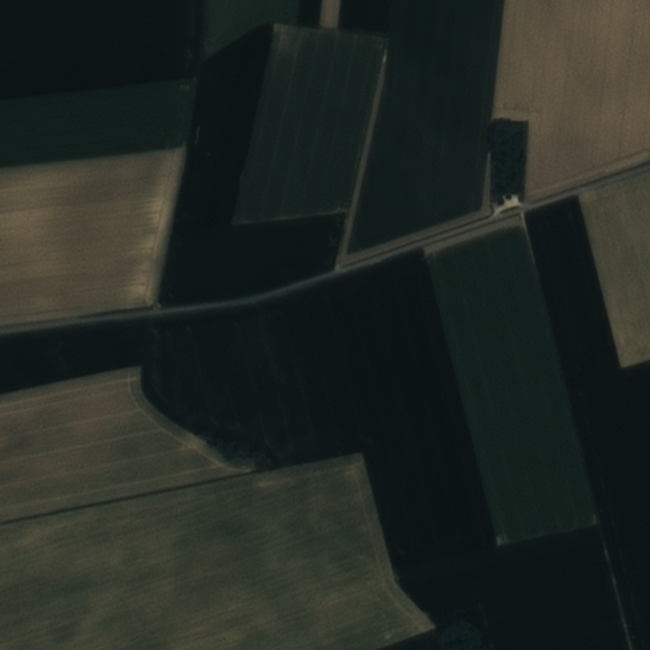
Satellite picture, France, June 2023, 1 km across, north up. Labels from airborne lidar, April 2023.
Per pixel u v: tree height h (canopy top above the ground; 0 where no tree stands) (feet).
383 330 0
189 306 0
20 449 0
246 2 0
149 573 0
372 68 0
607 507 0
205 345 0
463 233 0
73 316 0
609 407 0
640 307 0
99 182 0
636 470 0
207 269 0
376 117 0
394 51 0
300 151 0
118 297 0
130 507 0
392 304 0
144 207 0
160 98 0
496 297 0
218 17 0
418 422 0
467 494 0
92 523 0
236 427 0
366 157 0
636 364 0
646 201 0
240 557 0
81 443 0
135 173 0
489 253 0
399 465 0
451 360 0
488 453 0
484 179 0
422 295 0
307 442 0
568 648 0
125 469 0
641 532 0
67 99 0
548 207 0
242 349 0
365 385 0
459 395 0
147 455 0
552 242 0
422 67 0
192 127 0
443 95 0
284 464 0
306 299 0
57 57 0
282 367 0
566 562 0
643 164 0
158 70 0
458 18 0
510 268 0
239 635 0
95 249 0
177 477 0
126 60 0
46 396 0
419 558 0
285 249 0
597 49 0
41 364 0
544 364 0
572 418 0
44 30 0
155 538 0
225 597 0
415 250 0
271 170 0
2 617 0
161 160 0
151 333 0
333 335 0
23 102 0
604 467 0
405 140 0
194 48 0
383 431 0
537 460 0
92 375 0
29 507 0
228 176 0
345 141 0
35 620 0
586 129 0
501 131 56
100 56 0
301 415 0
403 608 0
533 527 0
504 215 0
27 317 0
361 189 0
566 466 0
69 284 0
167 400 0
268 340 0
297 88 0
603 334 0
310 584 0
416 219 0
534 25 0
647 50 0
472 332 0
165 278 0
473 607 0
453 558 0
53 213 0
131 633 0
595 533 0
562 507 0
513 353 0
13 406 0
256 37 0
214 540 0
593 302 0
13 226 0
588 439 0
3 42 0
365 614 0
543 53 0
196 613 0
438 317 0
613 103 0
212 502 0
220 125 0
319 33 0
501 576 0
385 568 0
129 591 0
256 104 0
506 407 0
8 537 0
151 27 0
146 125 0
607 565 0
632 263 0
